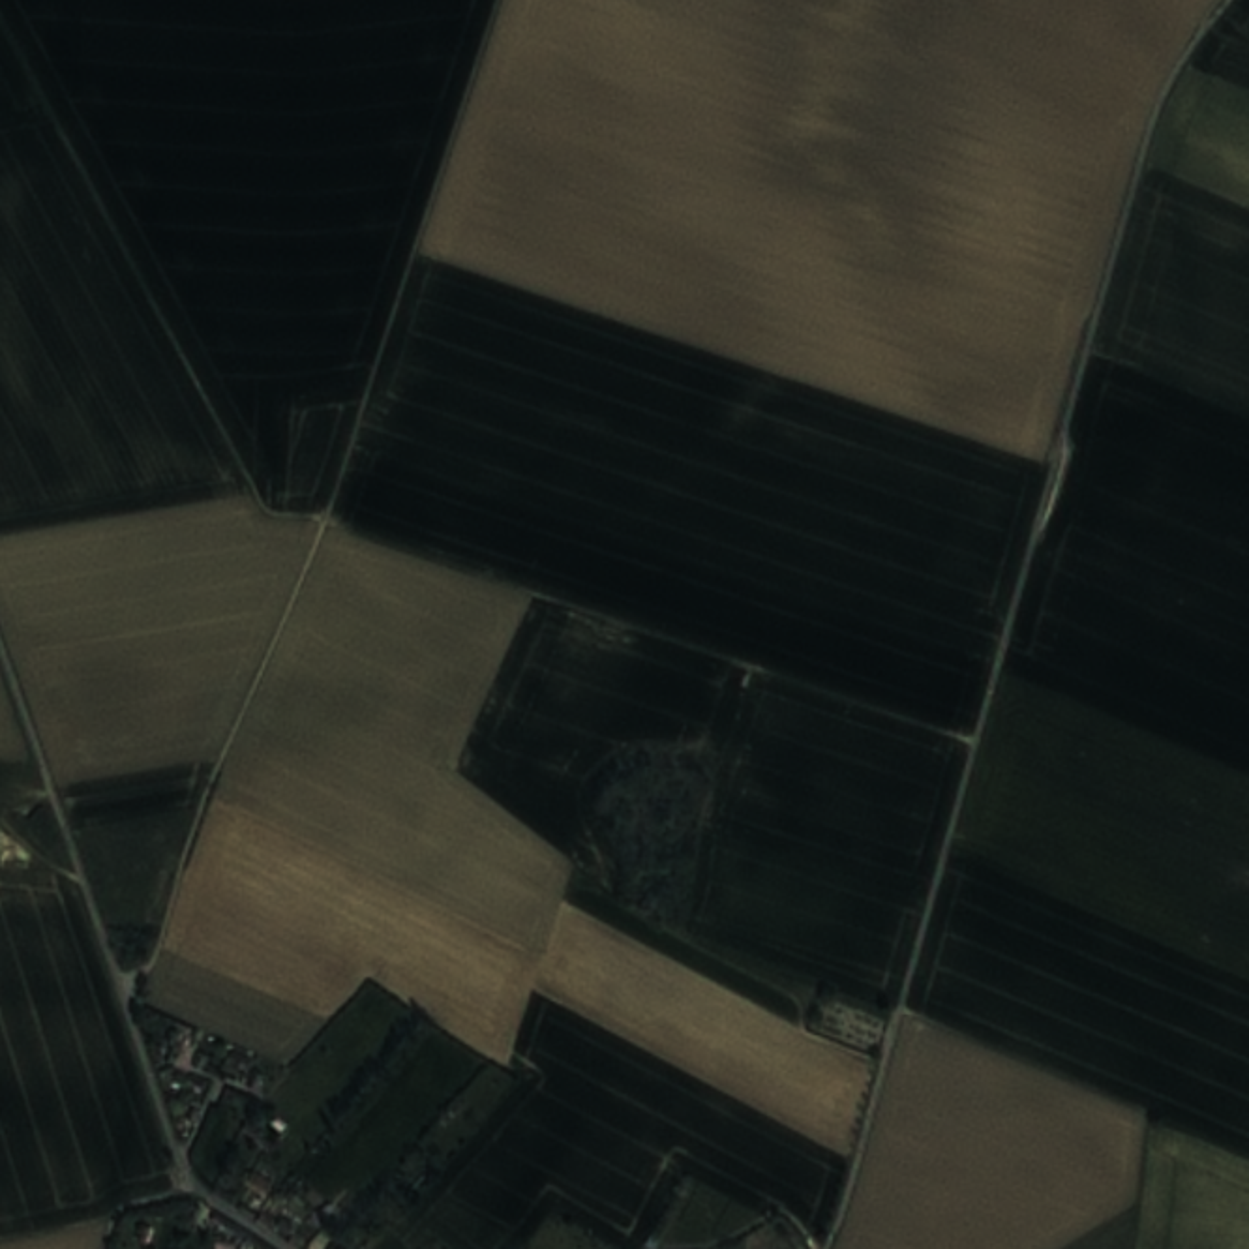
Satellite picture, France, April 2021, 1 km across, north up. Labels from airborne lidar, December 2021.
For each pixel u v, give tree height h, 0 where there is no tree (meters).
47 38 0
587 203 0
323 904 0
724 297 0
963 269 0
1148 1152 0
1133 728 0
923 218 0
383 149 0
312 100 0
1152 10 0
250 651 0
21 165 0
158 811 0
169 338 0
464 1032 0
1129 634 0
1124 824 0
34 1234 0
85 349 0
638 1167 0
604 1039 0
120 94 0
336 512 0
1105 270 0
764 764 0
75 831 0
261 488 0
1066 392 0
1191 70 0
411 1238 0
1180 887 0
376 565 0
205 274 0
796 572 0
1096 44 0
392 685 0
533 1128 0
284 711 0
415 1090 0
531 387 0
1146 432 0
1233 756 0
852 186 0
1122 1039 0
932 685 0
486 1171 0
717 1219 0
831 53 0
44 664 0
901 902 0
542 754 0
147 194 0
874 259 0
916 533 0
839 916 0
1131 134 0
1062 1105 0
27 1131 0
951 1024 0
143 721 0
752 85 0
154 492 0
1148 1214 0
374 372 0
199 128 0
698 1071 0
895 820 0
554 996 0
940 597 0
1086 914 0
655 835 20
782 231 0
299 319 0
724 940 0
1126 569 0
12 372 0
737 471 0
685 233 0
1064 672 0
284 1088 0
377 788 0
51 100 0
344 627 0
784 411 0
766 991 0
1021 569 0
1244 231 0
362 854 0
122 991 0
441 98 0
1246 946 0
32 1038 0
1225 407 0
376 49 0
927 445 0
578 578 0
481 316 0
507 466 0
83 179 0
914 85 0
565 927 0
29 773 0
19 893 0
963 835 0
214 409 0
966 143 0
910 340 0
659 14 0
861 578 0
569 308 0
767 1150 0
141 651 0
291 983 0
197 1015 0
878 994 0
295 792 0
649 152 0
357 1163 0
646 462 0
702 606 0
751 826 0
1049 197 0
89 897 0
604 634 0
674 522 0
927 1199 0
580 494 0
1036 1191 0
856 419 0
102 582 0
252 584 0
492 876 0
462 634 0
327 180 0
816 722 0
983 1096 0
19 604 0
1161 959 0
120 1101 0
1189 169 0
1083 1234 0
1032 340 0
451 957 0
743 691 0
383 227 0
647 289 0
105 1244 8
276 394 0
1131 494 0
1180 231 0
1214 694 0
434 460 0
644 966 0
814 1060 0
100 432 0
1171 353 0
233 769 0
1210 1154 0
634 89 0
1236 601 0
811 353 0
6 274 0
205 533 0
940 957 0
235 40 0
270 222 0
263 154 0
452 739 0
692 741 0
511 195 0
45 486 0
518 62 0
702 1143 0
